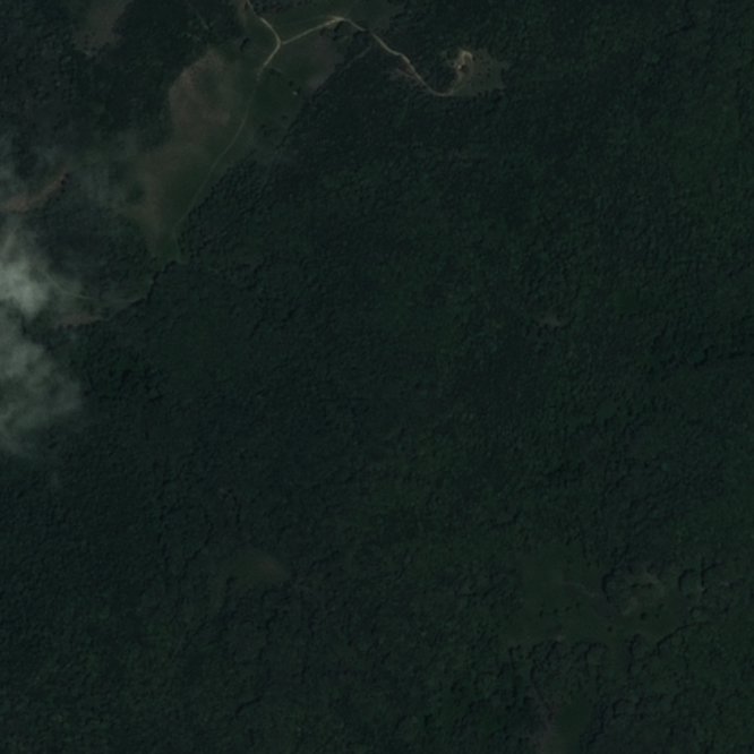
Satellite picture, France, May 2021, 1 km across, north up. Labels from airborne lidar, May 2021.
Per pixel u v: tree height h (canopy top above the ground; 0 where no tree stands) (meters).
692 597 12
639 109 7
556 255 8
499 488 6
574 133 8
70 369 15
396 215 9
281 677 13
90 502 6
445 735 10
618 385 11
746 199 9
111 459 13
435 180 7
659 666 14
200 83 0
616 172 7
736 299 17
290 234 9
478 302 9
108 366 12
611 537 14
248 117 0
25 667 7
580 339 7
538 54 7
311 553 8
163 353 14
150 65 7
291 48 0
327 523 9
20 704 6
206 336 14
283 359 7
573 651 7
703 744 8
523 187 6
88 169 8
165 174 0
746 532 15
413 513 8
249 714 16
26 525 10
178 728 10
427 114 6
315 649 11
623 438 12
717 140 17
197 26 10
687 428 18
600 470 15
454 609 21
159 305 12
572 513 11
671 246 9
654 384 13
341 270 10
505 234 12
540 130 7
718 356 18
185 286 12
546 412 12
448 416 15
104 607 8
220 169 0
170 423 19
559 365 10
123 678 8
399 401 11
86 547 8
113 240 7
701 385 18
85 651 9
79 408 11
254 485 16
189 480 14
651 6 6
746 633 12
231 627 14
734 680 10
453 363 10
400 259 8
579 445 15
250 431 11
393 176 8
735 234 11
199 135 0
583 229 9
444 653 14
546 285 11
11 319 12
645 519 14
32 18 6
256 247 6
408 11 7
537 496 9
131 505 7
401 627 17
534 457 12
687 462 13
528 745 12
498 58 7
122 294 7
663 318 12
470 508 9
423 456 7
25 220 7
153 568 11
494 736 11
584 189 7
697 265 9
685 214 7
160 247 0
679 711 10
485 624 8
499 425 10
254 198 7
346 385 13
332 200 8
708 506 13
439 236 9
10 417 16
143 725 11
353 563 15
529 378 8
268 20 0
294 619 17
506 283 11
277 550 7
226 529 17
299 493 16
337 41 9
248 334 11
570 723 0
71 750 12
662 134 8
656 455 15
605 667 9
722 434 9
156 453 16
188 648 8
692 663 10
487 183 6
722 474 15
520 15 9
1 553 10
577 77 6
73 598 6
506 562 9
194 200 0
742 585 17
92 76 9
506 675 17
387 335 7
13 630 8
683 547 13
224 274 6
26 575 10
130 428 12
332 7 0
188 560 11
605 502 12
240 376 15
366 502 11
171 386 17
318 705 17
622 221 10
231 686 7
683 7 8
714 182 11
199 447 16
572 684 9
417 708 11
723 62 15
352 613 7
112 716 10
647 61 12
